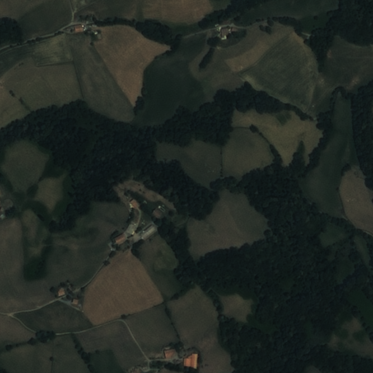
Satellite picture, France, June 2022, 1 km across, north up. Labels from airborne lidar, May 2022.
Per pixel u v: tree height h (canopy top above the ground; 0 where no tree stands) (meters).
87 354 13
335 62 0
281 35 0
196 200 23
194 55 0
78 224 0
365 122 22
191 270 23
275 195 32
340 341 0
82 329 0
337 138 0
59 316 0
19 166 0
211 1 0
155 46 0
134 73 0
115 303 0
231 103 7
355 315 17
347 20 22
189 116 23
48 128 31
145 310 0
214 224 0
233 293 0
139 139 13
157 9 0
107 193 17
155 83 0
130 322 0
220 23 8
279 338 20
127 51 0
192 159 0
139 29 18
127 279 0
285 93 0
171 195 8
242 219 0
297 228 31
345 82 0
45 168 0
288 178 6
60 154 13
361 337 0
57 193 0
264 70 0
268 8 0
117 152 21
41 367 0
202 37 0
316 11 0
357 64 0
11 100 0
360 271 25
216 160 0
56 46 0
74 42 0
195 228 0
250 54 0
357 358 13
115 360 0
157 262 0
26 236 0
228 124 19
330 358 11
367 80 0
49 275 0
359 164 0
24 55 0
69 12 0
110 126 21
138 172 18
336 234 0
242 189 21
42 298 0
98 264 0
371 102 20
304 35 0
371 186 25
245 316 0
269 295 26
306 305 13
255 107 10
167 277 0
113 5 0
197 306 0
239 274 29
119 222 0
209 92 0
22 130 25
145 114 0
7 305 0
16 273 0
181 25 0
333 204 0
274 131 0
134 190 0
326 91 0
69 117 8
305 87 0
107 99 0
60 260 0
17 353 0
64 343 0
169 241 20
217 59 0
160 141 17
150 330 0
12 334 0
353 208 0
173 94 0
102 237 0
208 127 24
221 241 0
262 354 22
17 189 0
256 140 0
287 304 21
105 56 0
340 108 0
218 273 26
